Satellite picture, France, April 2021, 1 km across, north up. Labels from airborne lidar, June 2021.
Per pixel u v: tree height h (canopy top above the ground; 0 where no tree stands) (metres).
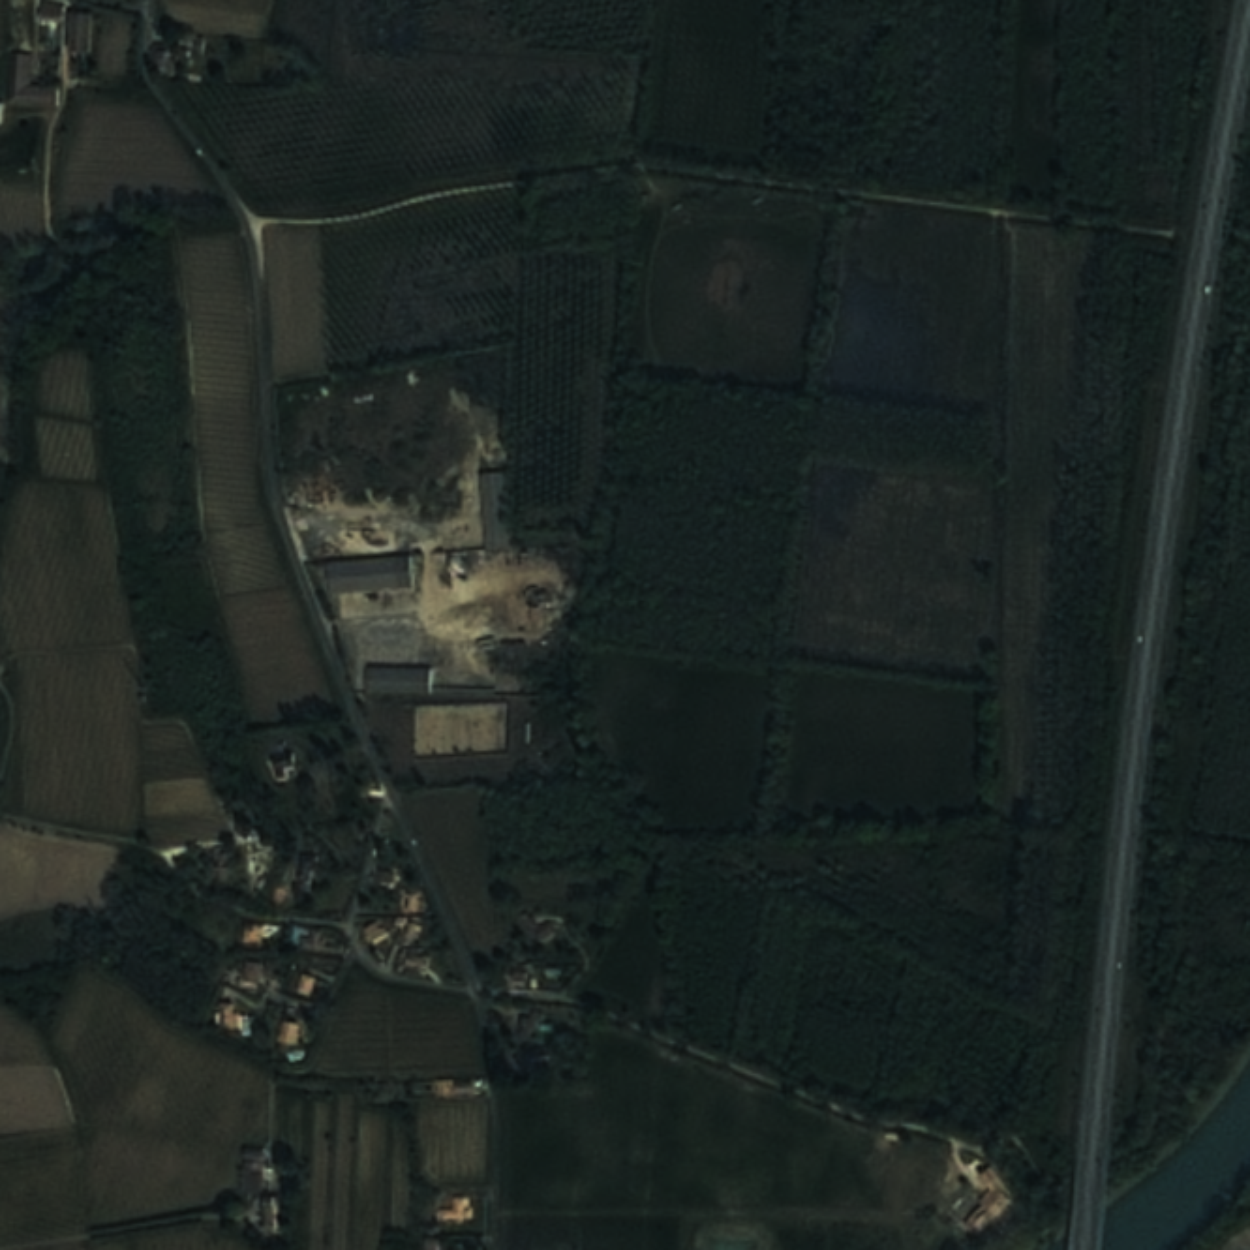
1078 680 26
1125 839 0
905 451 21
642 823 18
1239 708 11
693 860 9
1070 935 11
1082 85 15
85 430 0
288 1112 0
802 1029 11
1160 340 7
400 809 0
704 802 0
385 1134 0
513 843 18
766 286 0
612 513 15
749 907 9
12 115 0
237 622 0
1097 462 24
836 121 20
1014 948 9
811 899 11
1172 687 8
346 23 0
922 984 10
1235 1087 0
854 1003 7
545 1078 32
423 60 0
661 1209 0
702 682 0
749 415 17
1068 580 23
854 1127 15
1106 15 14
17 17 0
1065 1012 9
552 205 15
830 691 0
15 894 0
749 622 18
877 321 0
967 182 12
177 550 9
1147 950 11
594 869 17
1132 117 7
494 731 0
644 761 0
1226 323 6
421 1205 13
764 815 17
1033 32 0
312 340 0
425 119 17
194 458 11
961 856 8
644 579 19
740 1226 0
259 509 0
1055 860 25
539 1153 0
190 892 16
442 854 0
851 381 0
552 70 0
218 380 0
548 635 0
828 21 15
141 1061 0
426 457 0
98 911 14
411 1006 0
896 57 16
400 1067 0
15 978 9
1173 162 11
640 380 17
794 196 11
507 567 0
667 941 17
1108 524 25
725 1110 0
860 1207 0
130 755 0
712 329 0
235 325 0
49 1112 0
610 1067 0
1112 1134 0
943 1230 12
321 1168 0
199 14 0
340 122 13
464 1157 0
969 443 21
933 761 0
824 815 14
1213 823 13
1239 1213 13
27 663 0
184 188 0
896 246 0
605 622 15
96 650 0
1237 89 0
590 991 0
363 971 8
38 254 10
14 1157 0
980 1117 16
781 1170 0
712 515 18
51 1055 0
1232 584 7
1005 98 15
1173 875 14
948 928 6
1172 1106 11
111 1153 0
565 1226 0
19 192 0
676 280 0
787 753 10
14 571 0
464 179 20
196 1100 0
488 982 8
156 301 9
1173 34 15
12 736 0
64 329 14
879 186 15
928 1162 0
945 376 0
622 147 22
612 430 15
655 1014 0
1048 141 0
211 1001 14
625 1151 0
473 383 0
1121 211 11
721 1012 11
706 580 19
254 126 18
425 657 0
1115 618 11
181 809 0
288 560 0
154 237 12
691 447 17
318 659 0
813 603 0
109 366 6
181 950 16
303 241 0
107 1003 0
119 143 0
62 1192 0
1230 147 0
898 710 0
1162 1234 0
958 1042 10
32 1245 0
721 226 0
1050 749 31
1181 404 0
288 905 7
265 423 0
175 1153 0
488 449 0
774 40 12
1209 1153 0
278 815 18
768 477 17
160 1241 0
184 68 8
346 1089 0
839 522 0
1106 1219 0
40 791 0
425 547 0
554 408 15
